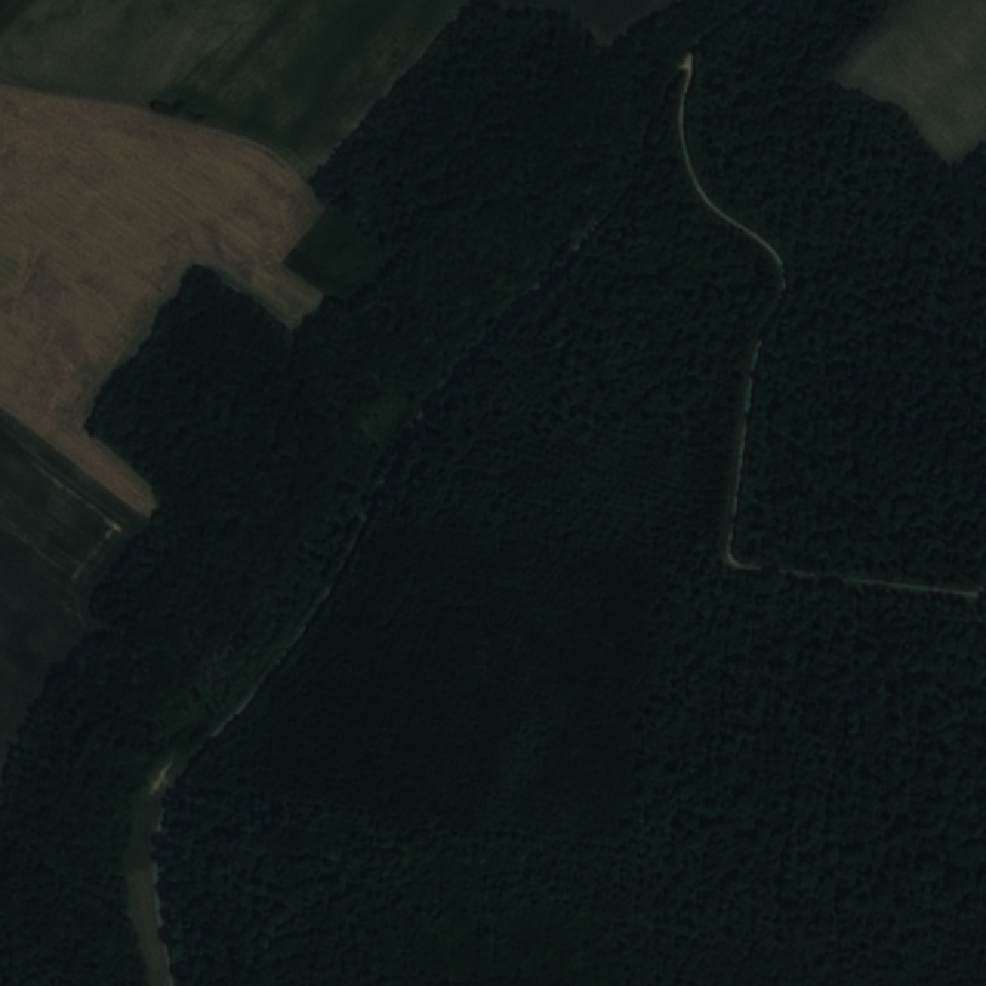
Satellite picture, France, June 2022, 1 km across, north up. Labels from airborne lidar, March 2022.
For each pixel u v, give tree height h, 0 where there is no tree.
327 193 16
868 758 5
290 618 18
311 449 22
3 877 20
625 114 22
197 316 12
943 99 0
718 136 15
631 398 8
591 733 11
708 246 14
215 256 0
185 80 0
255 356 20
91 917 27
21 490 0
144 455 14
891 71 0
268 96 0
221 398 18
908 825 21
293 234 0
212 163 0
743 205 15
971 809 20
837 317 21
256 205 0
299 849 10
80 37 0
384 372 16
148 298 0
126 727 24
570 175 22
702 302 12
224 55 0
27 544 0
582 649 11
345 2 0
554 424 19
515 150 20
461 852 15
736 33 18
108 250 0
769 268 13
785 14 18
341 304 20
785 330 18
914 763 18
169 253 0
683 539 8
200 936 10
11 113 0
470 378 21
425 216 18
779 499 23
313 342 20
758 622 18
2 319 0
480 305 21
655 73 23
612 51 18
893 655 24
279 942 7
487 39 14
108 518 0
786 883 21
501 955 8
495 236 22
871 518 22
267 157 0
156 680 24
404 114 7
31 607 0
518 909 8
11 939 19
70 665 15
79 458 0
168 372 15
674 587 20
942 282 0
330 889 13
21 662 0
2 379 0
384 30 0
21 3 0
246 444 20
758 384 20
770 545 20
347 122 0
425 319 17
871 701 25
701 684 15
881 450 21
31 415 0
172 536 7
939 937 18
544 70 20
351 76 0
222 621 19
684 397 19
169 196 0
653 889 9
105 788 20
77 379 0
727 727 17
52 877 26
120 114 0
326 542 16
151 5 0
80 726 11
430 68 7
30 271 0
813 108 9
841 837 8
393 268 20
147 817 0
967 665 22
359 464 19
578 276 12
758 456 17
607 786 10
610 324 19
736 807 19
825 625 18
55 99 0
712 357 20
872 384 23
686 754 12
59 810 19
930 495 13
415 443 23
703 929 16
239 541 21
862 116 15
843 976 8
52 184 0
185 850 19
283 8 0
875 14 18
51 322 0
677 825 17
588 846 11
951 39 0
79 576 0
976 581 21
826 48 18
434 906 14
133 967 19
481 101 18
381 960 12
